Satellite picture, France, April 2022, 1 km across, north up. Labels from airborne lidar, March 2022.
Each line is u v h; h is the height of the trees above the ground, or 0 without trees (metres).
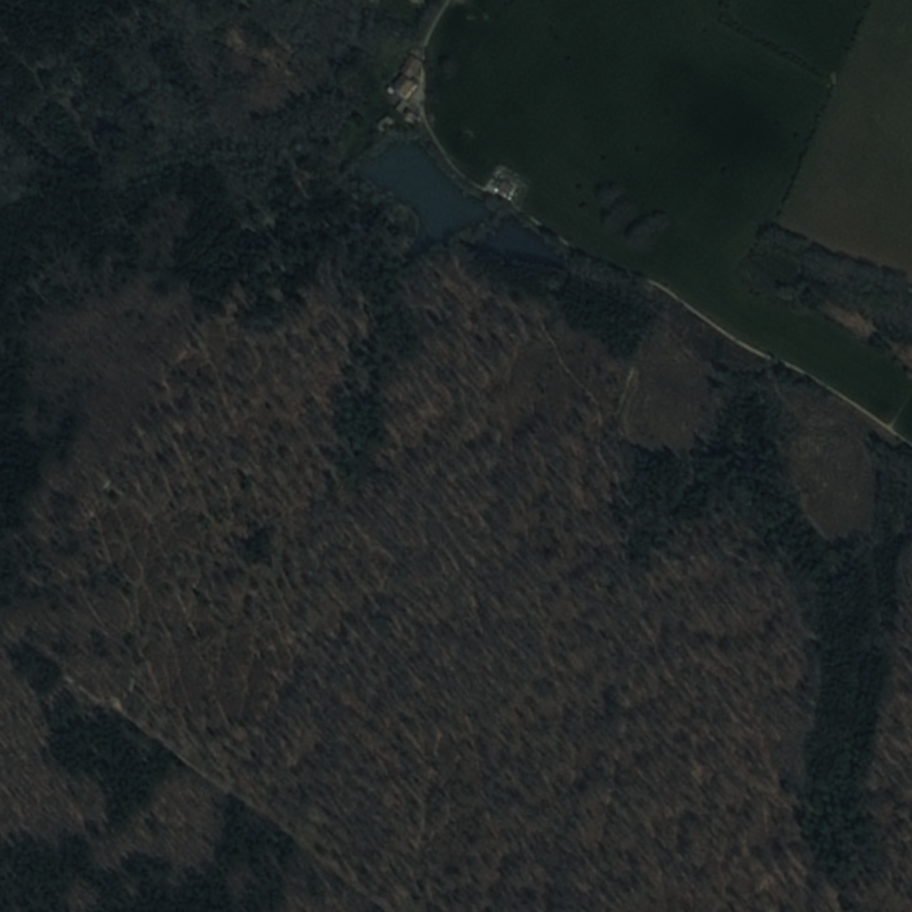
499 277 31
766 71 0
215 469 29
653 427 0
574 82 0
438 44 0
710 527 31
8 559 15
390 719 32
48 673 32
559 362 6
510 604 30
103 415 13
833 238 0
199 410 30
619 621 28
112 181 18
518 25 0
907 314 26
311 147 16
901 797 31
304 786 28
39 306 18
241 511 11
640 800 32
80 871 29
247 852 28
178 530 7
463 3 0
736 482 30
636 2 0
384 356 35
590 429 32
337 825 26
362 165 7
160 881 24
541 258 0
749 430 7
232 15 27
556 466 29
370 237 25
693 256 0
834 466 0
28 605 14
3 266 14
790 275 0
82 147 11
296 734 28
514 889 30
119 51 25
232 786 23
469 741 32
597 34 0
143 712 27
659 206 0
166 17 25
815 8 0
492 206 18
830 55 0
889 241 0
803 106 0
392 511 31
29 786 0
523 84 0
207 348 27
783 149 0
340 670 28
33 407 16
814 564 35
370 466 18
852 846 25
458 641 30
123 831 33
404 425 30
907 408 0
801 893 33
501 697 32
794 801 30
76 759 30
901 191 0
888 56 0
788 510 33
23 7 28
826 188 0
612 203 24
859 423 0
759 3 0
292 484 29
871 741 26
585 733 32
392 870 28
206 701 9
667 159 0
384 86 0
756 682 31
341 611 31
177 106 24
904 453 13
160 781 29
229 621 29
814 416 0
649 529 28
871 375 0
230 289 16
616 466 30
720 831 25
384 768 32
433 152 8
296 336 27
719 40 0
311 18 6
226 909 33
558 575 29
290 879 27
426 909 27
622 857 8
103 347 10
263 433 27
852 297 26
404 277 29
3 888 27
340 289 26
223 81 25
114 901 31
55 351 13
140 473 29
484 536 28
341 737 31
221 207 20
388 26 19
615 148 0
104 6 23
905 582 28
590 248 0
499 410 26
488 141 0
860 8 0
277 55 0
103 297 10
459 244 25
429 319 29
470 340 28
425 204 0
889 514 17
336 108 20
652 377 0
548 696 30
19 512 24
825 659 30
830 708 21
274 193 16
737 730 26
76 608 18
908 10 0
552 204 0
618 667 31
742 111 0
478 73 0
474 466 29
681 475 21
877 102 0
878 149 0
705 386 0
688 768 29
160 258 14
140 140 27
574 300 18
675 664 28
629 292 20
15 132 29
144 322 13
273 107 0
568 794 32
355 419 38
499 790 31
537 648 33
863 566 26
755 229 0
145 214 22
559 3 0
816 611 32
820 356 0
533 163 0
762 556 31
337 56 21
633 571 30
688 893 31
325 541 33
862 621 28
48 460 22
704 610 28
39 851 32
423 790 31
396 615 30
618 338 20
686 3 0
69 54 23
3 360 16
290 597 28
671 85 0
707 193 0
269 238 9
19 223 16
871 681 27
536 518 30
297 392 29
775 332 0
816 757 26
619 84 0
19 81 30
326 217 17
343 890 19
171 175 18
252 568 29
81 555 16
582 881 33
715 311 0
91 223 16
